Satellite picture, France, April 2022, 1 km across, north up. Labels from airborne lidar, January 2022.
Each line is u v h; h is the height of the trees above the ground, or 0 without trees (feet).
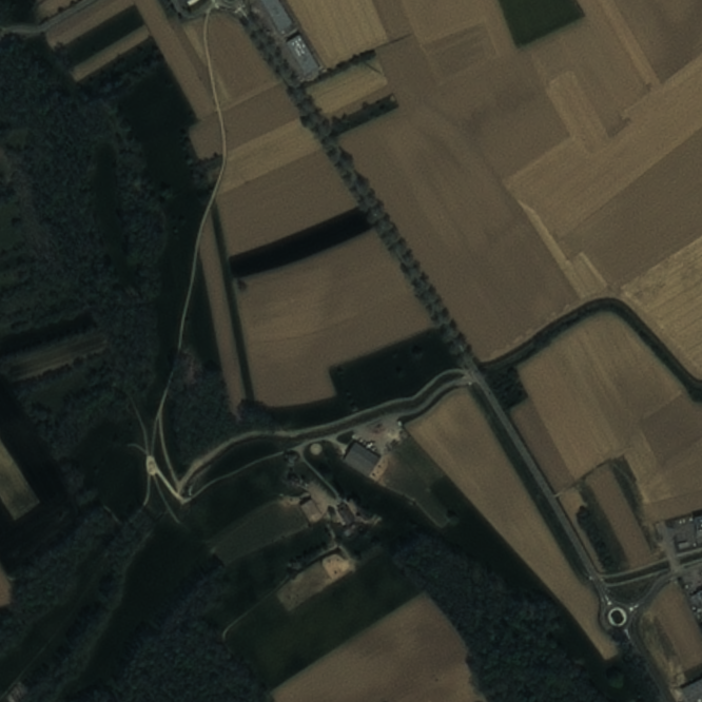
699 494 0
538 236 0
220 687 76
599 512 0
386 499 0
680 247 0
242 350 0
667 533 0
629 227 0
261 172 0
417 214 0
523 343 0
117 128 77
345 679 0
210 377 78
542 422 0
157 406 0
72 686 0
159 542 0
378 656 0
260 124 0
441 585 68
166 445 0
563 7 0
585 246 0
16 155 59
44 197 64
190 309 0
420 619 0
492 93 0
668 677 0
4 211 0
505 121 0
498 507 0
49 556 83
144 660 91
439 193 0
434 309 63
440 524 0
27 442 0
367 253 0
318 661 0
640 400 0
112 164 0
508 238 0
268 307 0
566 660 108
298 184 0
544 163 0
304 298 0
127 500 0
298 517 0
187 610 85
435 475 0
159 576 0
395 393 0
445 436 0
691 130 0
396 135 0
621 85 0
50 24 0
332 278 0
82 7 0
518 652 99
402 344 0
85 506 0
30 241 61
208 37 0
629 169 0
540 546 0
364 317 0
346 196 0
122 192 55
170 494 0
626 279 0
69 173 100
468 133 0
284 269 0
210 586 78
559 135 0
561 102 0
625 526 0
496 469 0
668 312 0
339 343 0
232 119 0
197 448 81
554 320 0
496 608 78
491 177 0
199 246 0
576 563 0
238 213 0
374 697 0
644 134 0
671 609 0
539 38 0
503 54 0
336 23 0
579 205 0
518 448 0
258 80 0
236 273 0
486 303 0
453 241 0
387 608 0
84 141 94
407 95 0
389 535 0
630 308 0
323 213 0
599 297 0
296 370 0
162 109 0
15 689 0
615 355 0
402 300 0
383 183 0
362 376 0
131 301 88
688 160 0
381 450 0
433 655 0
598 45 0
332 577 0
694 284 0
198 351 0
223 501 0
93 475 0
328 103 0
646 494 0
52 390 0
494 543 0
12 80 91
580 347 0
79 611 0
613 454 0
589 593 0
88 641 98
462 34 0
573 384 0
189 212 0
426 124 0
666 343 0
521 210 0
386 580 0
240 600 0
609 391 0
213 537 0
